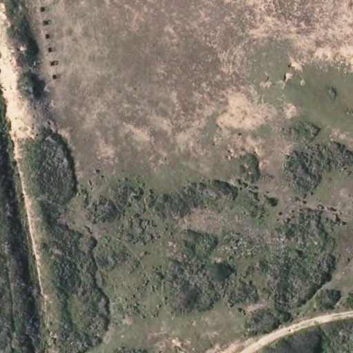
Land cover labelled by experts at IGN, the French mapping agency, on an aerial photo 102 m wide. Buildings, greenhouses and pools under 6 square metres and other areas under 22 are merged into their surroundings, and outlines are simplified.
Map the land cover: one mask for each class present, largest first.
<instances>
[{"label":"bare soil","instance_id":"1","mask_svg":"<svg viewBox=\"0 0 353 353\"><path fill-rule=\"evenodd\" d=\"M0 3L6 6L7 19L4 26L8 29V36L18 30L19 22L26 15L30 19V28L39 44L41 68L18 66L19 74L34 73L46 83V97L39 101L34 97L28 99V112L32 116V134L36 135L41 128H50L68 142L76 167L77 193L84 196L90 193L92 200H99L101 196L105 190V175L113 178V175H116L113 164H117L119 159L114 153L120 149L137 148L149 152V165L154 175L160 171L161 165L170 164L168 156L182 154L183 150H189L190 157L182 164L203 174L211 171L214 163H226L233 157H239L255 153L261 170L277 176L285 167L287 154L292 150L294 142L285 141L284 135H281V128L292 116H296L295 106L285 94V85L292 74H285V79L281 80L274 65L288 59L296 70L302 69L303 65L316 63L323 72H328V66L332 65L341 73H353V0H0ZM331 141L345 143L347 149H353V135L335 128L331 134ZM218 221H222L219 214L212 210L192 208V215H185L183 218L178 222L179 228L188 229L211 233L218 228Z\"/></svg>","mask_w":353,"mask_h":353},{"label":"herbaceous vegetation","instance_id":"2","mask_svg":"<svg viewBox=\"0 0 353 353\"><path fill-rule=\"evenodd\" d=\"M281 80L285 79V74H292L285 85V94L295 106L296 116H292L281 128V135H284L285 141L294 142L292 150L310 154L312 149L309 146L331 141V134L335 128L353 135V73H341L332 65L328 66V72H323L316 63L303 65L302 69L296 70L288 59L274 65ZM299 120H310L320 125L319 137L309 142L303 135L295 134L294 127L299 124ZM34 139L26 138L25 148L21 153L23 159L28 161L25 168L28 193L32 197L34 211L40 212L41 192L36 183L34 170L39 167L40 160L34 153ZM119 159L117 164H113L116 175H113V178L105 175V190L101 196L114 201L117 194L123 193L124 186H132L134 189L128 193L127 199L128 203H131V208H125V214L120 219L102 222L103 215L109 211V205H101L99 200H92L90 193L84 196L77 193L68 204L69 211L61 215L58 221L65 223L70 229L83 233L80 239L81 251H88L91 237L97 239V247L94 250L98 269L97 283L109 296L110 302L109 330L103 336L101 345L87 353H221L234 341H247L252 338L250 332L255 331V327H244L245 323L254 319V312H247L250 302L237 303L230 307L229 295H226L210 312L201 313L186 307V296L181 290V284L171 283L172 273L178 270L172 262L174 259L182 261V254H188L185 241L193 240L188 229L179 228L178 222L183 218L171 208H165V218L161 219L157 211L149 205L150 190H154V194L164 196L182 192L183 186H190L192 182L219 179L229 182L232 179L237 182L240 174L239 157H233L226 163H214L211 171L203 174L182 164L190 157L189 150H183L182 154L168 156L170 164L161 165L160 171L154 175L149 165V152L137 148L120 149L114 153ZM303 189L296 185L291 172L285 167L277 176L261 170L258 194L259 205L266 210L265 218L259 219V215L251 218L247 208L240 205H234L233 208L226 205L219 214L222 221H218V228L211 233L219 236L222 230L232 229L233 239L239 240L241 245L251 239L258 240V234H263L265 243L269 245V251L265 255L266 261L274 259V255H279L280 262L284 263L287 237L277 233L276 228L284 225L285 219L291 215H299L301 208L316 210L317 205L323 204V214L328 218L350 221L353 218V175L343 170V167H332L331 172H323V181L319 188L312 196H307V203L303 204L302 201H295L294 197L302 194ZM10 228L0 199V350L6 349L7 343L12 342L14 332L21 334L23 305L15 276L17 262L8 247ZM44 268L37 274L41 294V298L37 299L40 317L44 319L50 332L61 334V305L58 303V290L52 285L50 276V266L54 265V259L40 248ZM353 312V263L336 269L331 280L317 290L310 301L292 309V323L331 312ZM255 353H353V317L328 321L292 332L268 343Z\"/></svg>","mask_w":353,"mask_h":353},{"label":"brushwood","instance_id":"3","mask_svg":"<svg viewBox=\"0 0 353 353\"><path fill-rule=\"evenodd\" d=\"M8 44L14 47L18 66L41 68L39 44L30 28V19L26 15L19 22L18 30L8 36ZM46 83L34 73L19 74V94L28 99L34 97L39 101L46 97ZM7 103L0 84V199L10 228L8 247L17 262L15 276L23 305L21 334L14 332L12 342L7 343L6 349L0 350V353H87L101 345L103 336L109 330L110 302L109 296L97 283L98 269L94 250L97 247V239L91 237L88 251H81L80 239L83 233L70 229L65 223L58 221L61 215L69 211L68 204L77 193L76 167L68 142L50 128H41L36 135L34 139V153L40 160L39 167L34 170L36 183L41 192L40 212L43 219L36 222V229H40L41 232L40 248L54 259V265L50 266V276L52 285L58 290V303L61 305V334L50 332L44 319L40 317L37 299L41 298V294L37 274L17 161L14 159V142L10 138L11 123L7 120ZM295 134L303 135L309 142L319 137L320 125L310 120H299V124L294 127ZM312 149L310 154L292 150L287 154L285 167L291 172L296 185L303 189L302 194L294 197L295 201H302L303 204L307 203V196H312L319 188L323 181V172H331L332 167H343V170L353 175V149H347L345 143L331 141L309 146ZM240 174L237 182L232 179L229 182L219 179L192 182L190 186H183L182 192L164 196L154 194V190H150L149 205L157 211L161 219L165 218V208H171L183 218L185 215H192V208L212 210L219 214L226 205L233 208L234 205H240L247 208L251 218L259 215V219L265 218L266 210L259 205L258 194L261 170L255 153L239 157ZM134 189L132 186H124L123 193L117 194L114 201L101 196L99 200L101 205H109V211L103 215L102 222L120 219L125 214V208H131V203H128L127 199L128 193ZM323 204L317 205L316 210L301 208L299 215H291L285 219L284 225L276 228L277 233L287 237L284 263L280 262L279 255H274V259L266 261L265 255L269 251V245L265 243L263 234H258V240L251 239L241 245L239 240L233 239L232 229L222 230L219 236L211 233L188 229L193 240L185 241L188 254H182V261L174 259L172 262L178 270L172 273L171 283L181 284V290L186 296V307L201 313L210 312L226 295H229L230 307L237 303L250 302L247 312H254V319L245 323L244 327H255V331L250 332L252 338L270 334L292 323V309L310 301L317 290L331 280L336 269L353 263V218L350 221L328 218L323 214Z\"/></svg>","mask_w":353,"mask_h":353},{"label":"pervious surface","instance_id":"4","mask_svg":"<svg viewBox=\"0 0 353 353\"><path fill-rule=\"evenodd\" d=\"M7 19L6 6L0 3V84L7 103V120L11 123L10 138L14 142V159L17 161L37 274L44 268L40 248L41 232L40 229H36V222L43 219L40 212L34 211L32 197L28 193L25 168L28 161L23 159L21 153L25 148L26 138L34 139L36 135L32 134V116L28 112V99L19 94V74L18 66L14 47L8 44V29L4 26ZM353 317V312H331L292 323L270 334L252 338L247 341H234L221 353H255L268 343L292 332L328 321Z\"/></svg>","mask_w":353,"mask_h":353}]
</instances>
